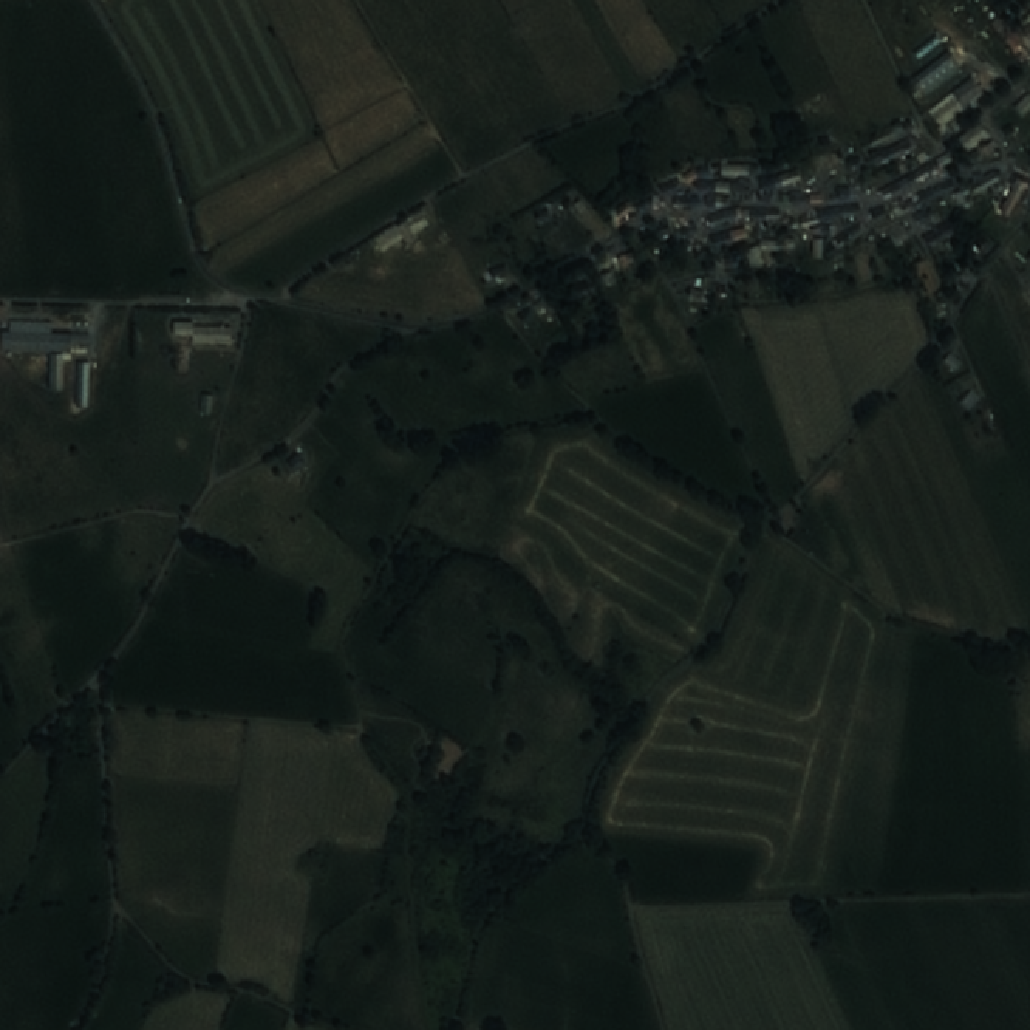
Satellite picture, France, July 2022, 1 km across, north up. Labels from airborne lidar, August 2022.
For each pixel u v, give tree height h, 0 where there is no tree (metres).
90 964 8
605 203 8
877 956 0
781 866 0
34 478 0
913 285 11
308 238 0
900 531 0
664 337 0
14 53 0
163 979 6
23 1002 0
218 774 0
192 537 20
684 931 0
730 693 0
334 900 0
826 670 0
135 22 0
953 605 0
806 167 0
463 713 0
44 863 0
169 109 0
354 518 0
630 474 0
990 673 13
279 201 0
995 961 0
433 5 0
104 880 0
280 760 0
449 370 0
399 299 0
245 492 0
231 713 0
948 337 12
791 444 0
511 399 0
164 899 0
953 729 0
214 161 0
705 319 8
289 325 0
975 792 0
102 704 11
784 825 0
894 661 0
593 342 16
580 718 0
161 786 0
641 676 0
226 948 0
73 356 0
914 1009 0
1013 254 0
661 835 0
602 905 0
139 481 0
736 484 0
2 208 0
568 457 0
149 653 0
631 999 0
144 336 0
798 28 0
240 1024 0
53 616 0
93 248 0
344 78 0
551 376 11
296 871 0
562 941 0
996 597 0
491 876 8
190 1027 0
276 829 0
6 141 0
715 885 0
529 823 0
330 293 0
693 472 0
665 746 0
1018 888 0
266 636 0
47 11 0
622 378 0
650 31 0
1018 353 0
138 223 0
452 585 0
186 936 0
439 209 0
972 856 0
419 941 6
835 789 0
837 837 0
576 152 0
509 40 0
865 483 0
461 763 5
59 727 10
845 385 0
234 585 0
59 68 0
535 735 0
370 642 0
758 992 0
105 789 13
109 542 0
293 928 0
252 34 0
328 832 0
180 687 0
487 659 0
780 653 0
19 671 0
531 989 0
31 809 0
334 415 0
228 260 0
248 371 0
